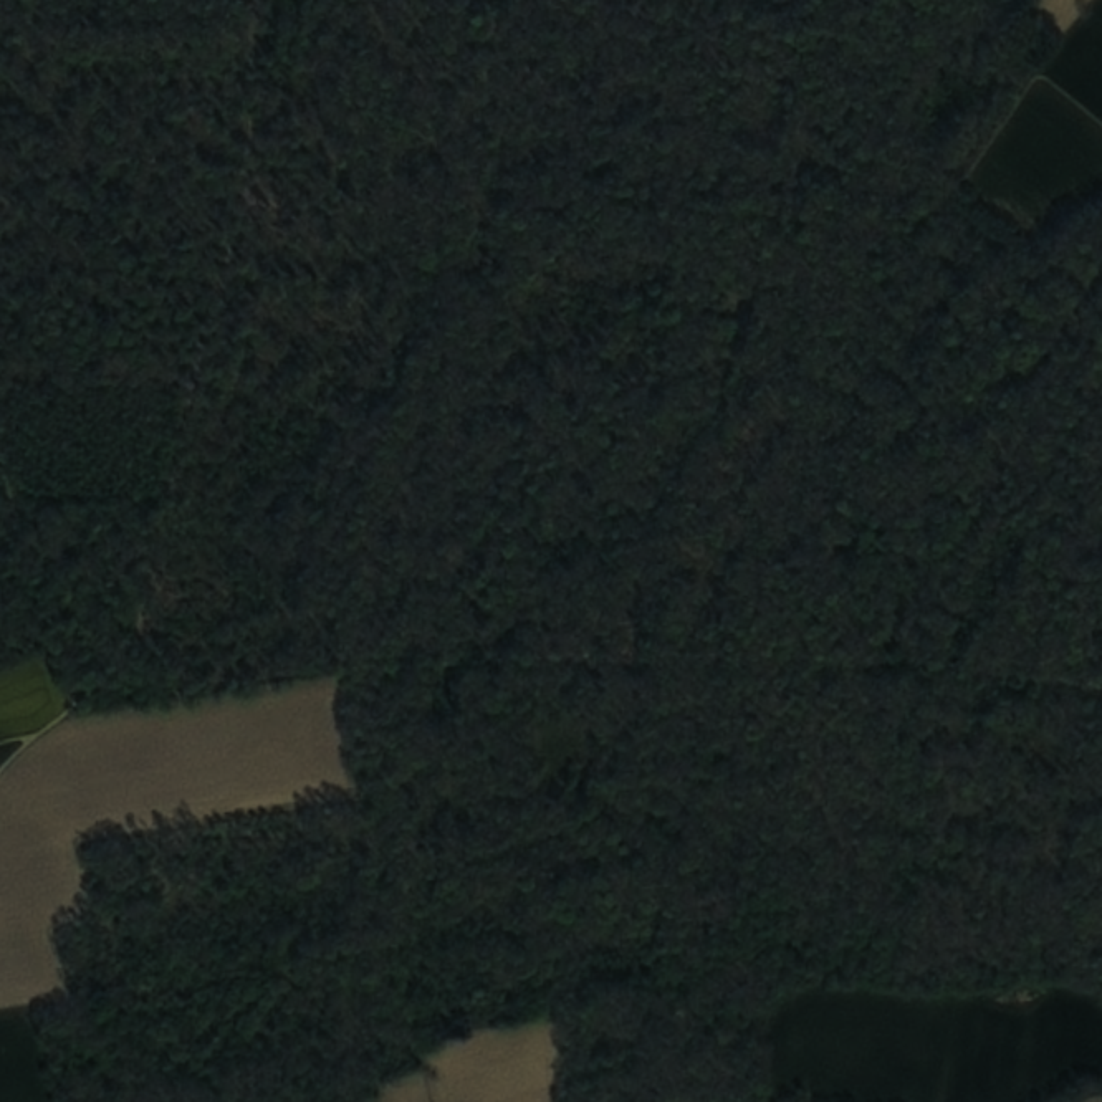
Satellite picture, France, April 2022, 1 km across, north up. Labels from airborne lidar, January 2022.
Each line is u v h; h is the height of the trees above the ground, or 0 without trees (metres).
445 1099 0
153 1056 16
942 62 14
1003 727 34
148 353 32
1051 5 0
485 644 10
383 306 37
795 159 33
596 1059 26
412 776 11
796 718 34
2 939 0
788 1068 0
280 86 33
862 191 32
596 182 30
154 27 38
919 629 31
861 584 33
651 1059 30
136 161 7
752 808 30
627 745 32
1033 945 30
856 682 36
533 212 36
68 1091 24
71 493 31
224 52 38
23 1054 0
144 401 18
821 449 32
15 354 28
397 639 30
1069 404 35
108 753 0
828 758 29
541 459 31
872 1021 0
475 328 30
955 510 35
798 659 32
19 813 0
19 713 0
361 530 30
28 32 37
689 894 34
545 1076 0
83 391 15
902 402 36
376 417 35
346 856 36
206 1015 17
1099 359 33
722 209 33
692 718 32
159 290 33
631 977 13
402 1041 23
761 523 35
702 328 31
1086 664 27
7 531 18
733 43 36
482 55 36
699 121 30
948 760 33
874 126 35
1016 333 37
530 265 25
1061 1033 0
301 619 36
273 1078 33
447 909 32
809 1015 0
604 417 33
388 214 33
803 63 36
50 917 0
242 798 0
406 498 33
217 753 0
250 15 34
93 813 0
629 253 29
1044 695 30
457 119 34
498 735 37
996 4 32
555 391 34
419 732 36
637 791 32
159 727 0
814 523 31
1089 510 35
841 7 36
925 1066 0
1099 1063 0
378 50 34
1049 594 30
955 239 30
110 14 31
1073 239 38
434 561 26
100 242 35
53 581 34
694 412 38
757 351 35
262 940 19
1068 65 0
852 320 33
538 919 32
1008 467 36
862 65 34
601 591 39
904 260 31
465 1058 0
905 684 34
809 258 33
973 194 21
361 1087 30
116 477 21
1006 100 29
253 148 33
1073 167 0
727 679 33
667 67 35
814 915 28
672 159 30
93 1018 34
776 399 32
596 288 8
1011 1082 0
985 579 20
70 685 22
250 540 27
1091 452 35
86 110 36
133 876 33
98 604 37
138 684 17
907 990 22
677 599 33
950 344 35
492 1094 0
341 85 35
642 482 34
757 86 30
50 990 0
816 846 32
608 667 29
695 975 27
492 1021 10
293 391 34
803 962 30
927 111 24
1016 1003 0
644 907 33
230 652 27
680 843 34
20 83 33
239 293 9
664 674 32
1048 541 31
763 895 30
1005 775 32
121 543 34
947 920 27
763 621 32
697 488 34
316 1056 35
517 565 34
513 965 32
